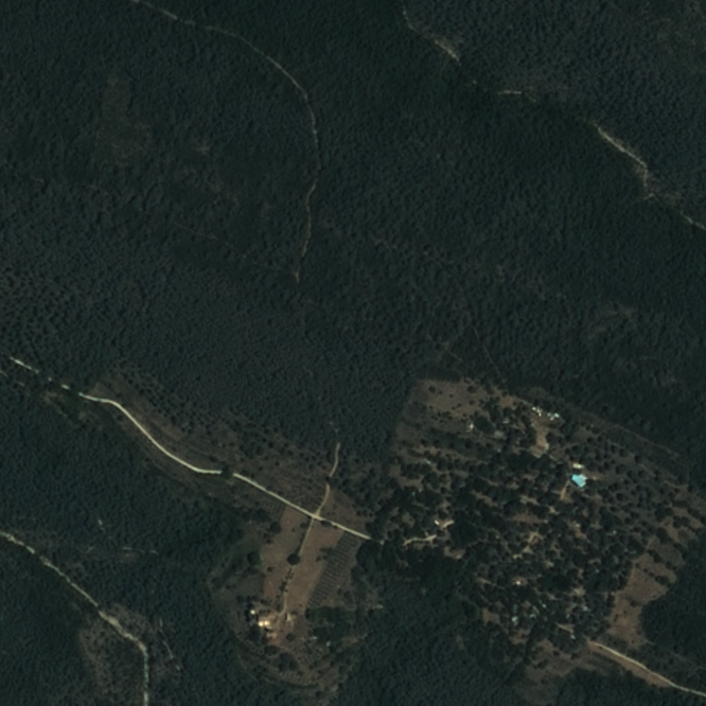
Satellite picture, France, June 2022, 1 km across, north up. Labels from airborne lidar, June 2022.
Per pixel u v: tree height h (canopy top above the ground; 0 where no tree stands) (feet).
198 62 67
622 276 67
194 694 54
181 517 51
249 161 42
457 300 49
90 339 47
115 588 33
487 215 36
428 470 45
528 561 53
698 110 56
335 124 46
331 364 52
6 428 57
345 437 49
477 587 31
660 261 64
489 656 26
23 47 64
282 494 25
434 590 29
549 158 34
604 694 59
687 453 27
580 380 21
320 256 47
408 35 44
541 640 64
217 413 48
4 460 53
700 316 68
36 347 57
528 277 55
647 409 30
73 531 57
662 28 21
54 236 56
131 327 59
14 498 39
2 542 20
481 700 67
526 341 52
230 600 0
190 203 24
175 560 42
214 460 47
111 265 60
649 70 67
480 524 47
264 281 43
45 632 37
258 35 32
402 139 27
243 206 20
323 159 70
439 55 59
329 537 0
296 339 56
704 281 57
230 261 56
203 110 46
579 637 55
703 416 53
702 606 34
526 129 60
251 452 23
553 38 57
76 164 43
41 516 41
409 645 41
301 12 57
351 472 54
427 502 58
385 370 45
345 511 0
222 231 31
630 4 21
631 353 22
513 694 43
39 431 58
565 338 52
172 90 60
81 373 50
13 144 53
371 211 43
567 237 71
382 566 51
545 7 66
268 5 37
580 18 59
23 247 70
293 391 49
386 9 31
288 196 43
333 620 35
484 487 57
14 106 45
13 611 40
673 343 47
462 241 20
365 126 57
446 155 55
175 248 30
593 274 32
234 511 33
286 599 0
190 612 34
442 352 56
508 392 24
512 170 51
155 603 44
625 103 30
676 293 64
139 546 51
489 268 19
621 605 0
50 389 41
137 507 53
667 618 41
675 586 23
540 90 25
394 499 35
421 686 51
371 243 20
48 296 57
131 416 0
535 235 68
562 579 52
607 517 37
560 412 37
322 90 29
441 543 55
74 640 33
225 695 52
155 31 51
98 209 31
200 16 44
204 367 66
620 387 28
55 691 44
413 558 40
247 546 0
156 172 19
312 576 0
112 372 25
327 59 39
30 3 46
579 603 69
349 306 27
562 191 61
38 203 62
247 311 55
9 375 19
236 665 38
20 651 38
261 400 67
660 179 57
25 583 39
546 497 31
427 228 28
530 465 55
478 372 25
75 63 66
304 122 61
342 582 0
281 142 51
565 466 25
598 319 53
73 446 40
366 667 48
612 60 48
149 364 61
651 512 47
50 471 52
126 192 59
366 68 45
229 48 27
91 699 22
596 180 45
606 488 56
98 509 50
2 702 50
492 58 56
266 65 24
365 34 66
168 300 59
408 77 52
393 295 23
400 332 21
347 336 50
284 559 0
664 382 46
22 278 78
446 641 36
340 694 21
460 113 39
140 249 60
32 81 32
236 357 71
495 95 25
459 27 67
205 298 62
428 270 57
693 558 45
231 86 27
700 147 55
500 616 24
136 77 60
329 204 50
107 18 54
